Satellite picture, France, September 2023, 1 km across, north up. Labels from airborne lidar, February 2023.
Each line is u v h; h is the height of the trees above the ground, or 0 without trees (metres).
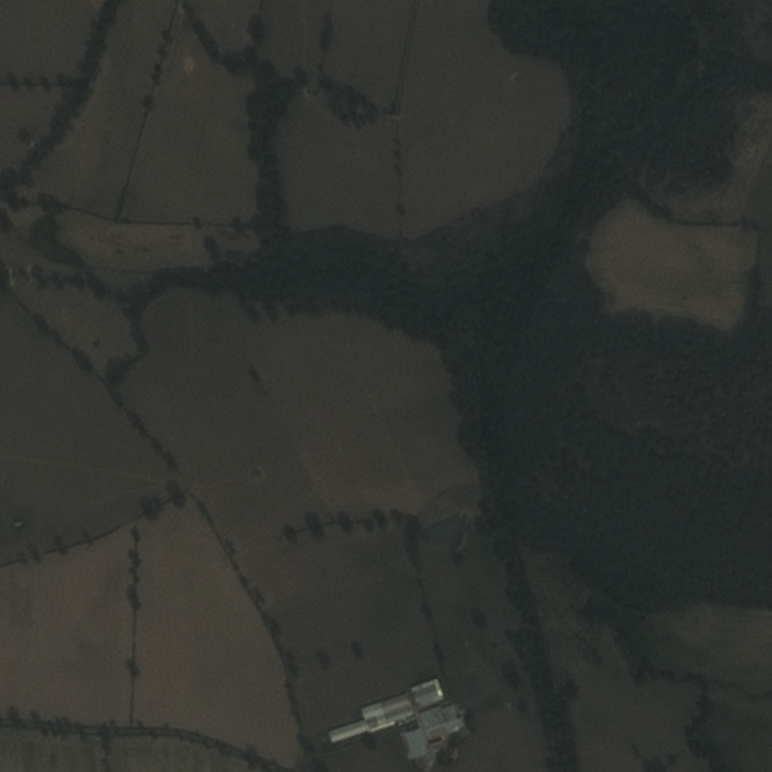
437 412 0
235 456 0
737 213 0
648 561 27
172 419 0
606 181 19
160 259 0
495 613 0
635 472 23
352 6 0
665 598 27
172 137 0
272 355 0
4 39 0
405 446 0
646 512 24
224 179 0
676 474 20
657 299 0
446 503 0
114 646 0
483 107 0
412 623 0
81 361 16
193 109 0
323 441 0
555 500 15
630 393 0
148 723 0
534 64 0
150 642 0
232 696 0
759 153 0
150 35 0
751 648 0
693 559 20
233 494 0
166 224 0
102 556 0
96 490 0
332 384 0
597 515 21
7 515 0
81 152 0
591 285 12
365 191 0
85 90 16
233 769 0
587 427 17
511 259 17
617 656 0
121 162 0
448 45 0
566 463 18
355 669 0
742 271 0
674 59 19
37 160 12
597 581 23
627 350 11
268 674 0
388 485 0
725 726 0
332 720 0
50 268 0
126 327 0
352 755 0
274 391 0
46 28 0
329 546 0
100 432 0
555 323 20
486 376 13
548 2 7
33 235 0
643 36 26
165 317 0
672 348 15
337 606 0
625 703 0
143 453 0
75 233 0
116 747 0
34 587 0
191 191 0
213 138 0
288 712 0
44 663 0
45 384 0
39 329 16
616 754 0
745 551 21
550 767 17
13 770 0
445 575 0
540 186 7
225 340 0
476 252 6
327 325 0
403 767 0
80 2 0
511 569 9
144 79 0
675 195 0
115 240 0
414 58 0
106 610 0
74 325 0
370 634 0
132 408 0
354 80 0
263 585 0
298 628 0
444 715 0
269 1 0
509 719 0
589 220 8
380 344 0
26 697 0
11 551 0
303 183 0
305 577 0
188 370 0
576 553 25
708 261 0
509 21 12
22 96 0
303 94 0
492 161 0
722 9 6
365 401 0
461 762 0
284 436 0
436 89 0
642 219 0
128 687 0
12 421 0
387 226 0
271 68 16
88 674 0
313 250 17
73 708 0
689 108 7
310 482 0
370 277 6
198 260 0
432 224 0
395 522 15
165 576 0
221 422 0
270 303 17
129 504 0
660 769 18
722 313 0
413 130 0
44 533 0
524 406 22
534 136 0
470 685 0
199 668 0
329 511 0
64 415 0
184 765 0
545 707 11
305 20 0
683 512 17
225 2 0
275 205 17
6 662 0
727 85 6
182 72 0
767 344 6
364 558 0
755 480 18
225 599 0
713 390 9
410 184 0
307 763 15
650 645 0
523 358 20
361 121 10
